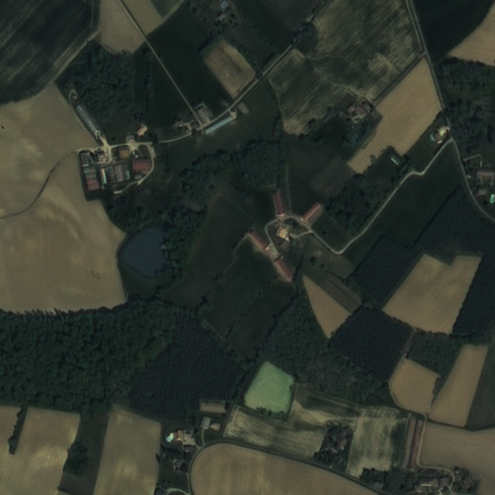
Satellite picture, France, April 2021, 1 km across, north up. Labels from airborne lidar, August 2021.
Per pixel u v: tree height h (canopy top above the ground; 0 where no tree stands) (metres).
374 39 0
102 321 26
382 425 0
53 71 0
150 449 0
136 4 0
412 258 8
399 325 13
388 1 0
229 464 0
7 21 0
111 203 0
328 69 0
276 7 0
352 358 17
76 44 0
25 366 19
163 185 0
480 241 10
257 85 0
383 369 17
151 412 12
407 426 0
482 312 11
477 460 0
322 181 0
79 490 0
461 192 8
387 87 0
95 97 15
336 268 0
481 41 0
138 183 0
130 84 19
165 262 0
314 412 0
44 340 15
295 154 0
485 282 11
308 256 0
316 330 20
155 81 0
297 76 0
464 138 16
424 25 0
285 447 0
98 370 20
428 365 10
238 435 0
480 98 8
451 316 0
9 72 0
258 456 0
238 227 0
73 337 29
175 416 13
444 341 21
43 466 0
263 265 0
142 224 18
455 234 9
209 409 0
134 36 0
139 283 0
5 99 0
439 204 0
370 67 0
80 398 9
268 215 0
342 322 0
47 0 0
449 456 0
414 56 0
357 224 19
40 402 21
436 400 0
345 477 0
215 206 0
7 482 0
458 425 0
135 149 0
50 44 0
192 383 14
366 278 11
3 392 13
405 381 0
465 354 0
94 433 0
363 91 0
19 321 20
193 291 0
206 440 0
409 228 0
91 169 0
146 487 0
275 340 18
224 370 14
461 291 0
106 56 15
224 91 0
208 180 17
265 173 19
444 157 0
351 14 0
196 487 0
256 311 0
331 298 0
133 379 12
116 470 0
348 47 0
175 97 0
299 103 0
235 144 0
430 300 0
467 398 0
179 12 0
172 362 13
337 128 0
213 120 0
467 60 0
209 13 16
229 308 0
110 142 6
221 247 0
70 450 8
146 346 22
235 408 0
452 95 0
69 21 0
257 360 10
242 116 6
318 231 0
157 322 25
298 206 0
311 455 0
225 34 18
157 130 0
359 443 0
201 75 0
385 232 0
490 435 0
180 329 12
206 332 13
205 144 0
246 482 0
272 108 0
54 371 18
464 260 0
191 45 0
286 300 0
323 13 0
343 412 0
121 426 0
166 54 0
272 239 0
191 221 19
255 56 12
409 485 14
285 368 15
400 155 0
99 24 0
